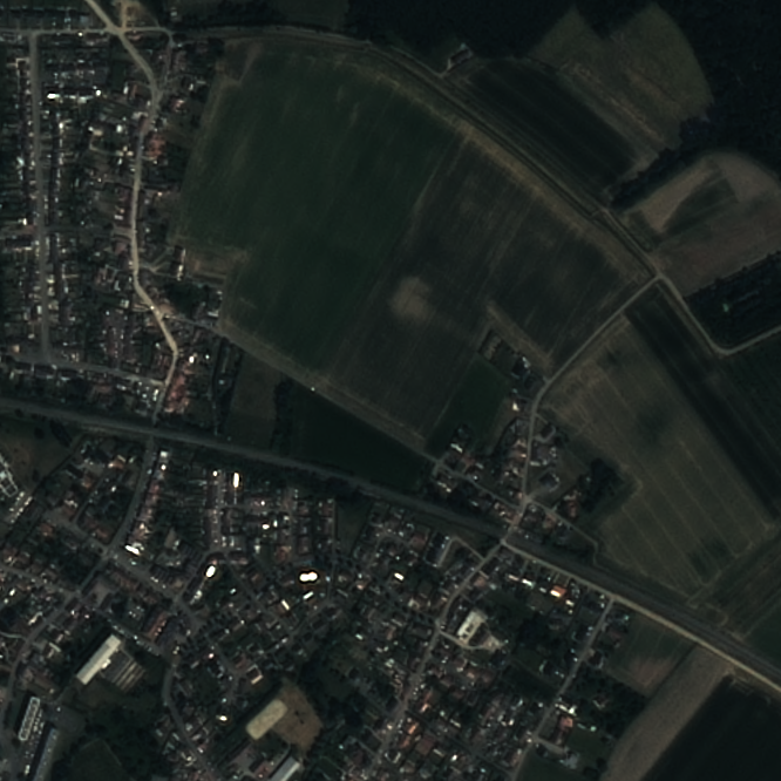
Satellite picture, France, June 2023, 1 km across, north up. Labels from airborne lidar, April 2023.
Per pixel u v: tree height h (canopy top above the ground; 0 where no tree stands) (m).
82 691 0
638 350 0
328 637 6
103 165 0
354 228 0
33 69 0
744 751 0
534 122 0
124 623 0
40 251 0
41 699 0
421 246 0
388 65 0
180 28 7
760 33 24
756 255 0
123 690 0
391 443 0
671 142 0
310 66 0
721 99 18
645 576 0
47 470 0
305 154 0
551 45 0
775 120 20
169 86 0
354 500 17
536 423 0
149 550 0
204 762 0
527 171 0
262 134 0
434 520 0
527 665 0
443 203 0
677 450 0
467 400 0
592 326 0
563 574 0
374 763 0
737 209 0
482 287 0
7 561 0
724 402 0
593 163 0
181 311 0
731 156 0
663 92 0
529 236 0
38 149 0
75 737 0
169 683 0
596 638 0
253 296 0
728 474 0
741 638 0
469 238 0
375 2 26
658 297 0
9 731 0
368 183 0
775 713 0
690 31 15
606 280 0
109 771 0
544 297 0
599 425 0
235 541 0
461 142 0
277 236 0
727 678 0
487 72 0
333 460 0
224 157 0
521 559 7
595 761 0
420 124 0
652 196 0
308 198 0
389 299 0
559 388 0
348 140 0
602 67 0
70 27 0
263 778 0
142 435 0
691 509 0
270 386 0
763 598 0
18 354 0
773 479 0
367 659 0
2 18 0
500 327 0
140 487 0
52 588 0
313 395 0
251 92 0
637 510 0
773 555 0
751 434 0
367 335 0
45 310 0
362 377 0
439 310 0
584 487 8
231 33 0
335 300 0
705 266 0
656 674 0
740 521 0
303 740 0
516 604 0
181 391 0
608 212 0
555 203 0
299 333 0
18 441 0
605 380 0
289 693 0
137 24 0
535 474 0
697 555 0
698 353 0
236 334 0
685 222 0
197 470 0
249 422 0
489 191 0
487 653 0
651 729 0
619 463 0
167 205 0
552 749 0
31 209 0
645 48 0
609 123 0
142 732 11
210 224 0
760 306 11
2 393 0
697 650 0
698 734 0
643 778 0
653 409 0
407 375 0
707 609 0
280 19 7
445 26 29
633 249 0
